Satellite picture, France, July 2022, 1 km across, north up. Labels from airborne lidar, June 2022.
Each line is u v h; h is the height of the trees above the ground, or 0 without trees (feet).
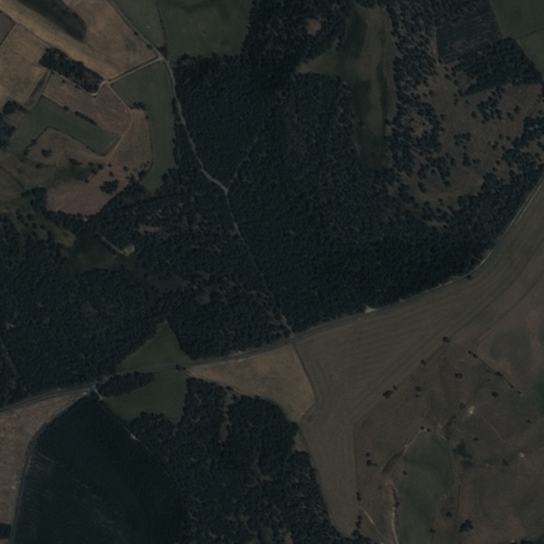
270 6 39
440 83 0
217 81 58
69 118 0
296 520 71
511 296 0
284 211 63
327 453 0
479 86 51
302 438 0
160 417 38
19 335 66
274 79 45
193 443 65
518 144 44
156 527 41
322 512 58
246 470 56
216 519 42
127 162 0
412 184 0
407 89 56
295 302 62
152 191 0
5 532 22
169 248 57
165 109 0
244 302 35
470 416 0
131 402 0
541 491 0
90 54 0
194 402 66
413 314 0
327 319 45
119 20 0
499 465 0
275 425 75
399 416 0
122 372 0
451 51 0
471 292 0
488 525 0
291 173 81
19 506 0
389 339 0
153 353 0
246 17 0
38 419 0
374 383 0
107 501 28
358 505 0
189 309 63
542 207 0
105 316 47
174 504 34
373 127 0
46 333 76
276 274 52
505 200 42
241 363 0
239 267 50
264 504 49
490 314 0
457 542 0
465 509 0
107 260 0
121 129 0
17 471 0
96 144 0
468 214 47
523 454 0
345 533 0
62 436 29
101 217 43
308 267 64
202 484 49
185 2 0
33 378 49
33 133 0
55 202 0
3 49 0
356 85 0
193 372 0
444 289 0
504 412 0
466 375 0
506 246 0
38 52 0
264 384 0
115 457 46
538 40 0
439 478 0
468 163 32
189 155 37
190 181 28
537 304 0
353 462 0
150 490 37
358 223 69
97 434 34
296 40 38
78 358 66
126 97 0
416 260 71
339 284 61
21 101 0
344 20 70
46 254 44
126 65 0
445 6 39
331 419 0
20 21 0
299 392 0
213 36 0
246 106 49
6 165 0
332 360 0
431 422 0
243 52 44
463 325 0
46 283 54
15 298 30
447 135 0
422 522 0
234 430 60
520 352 0
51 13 0
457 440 0
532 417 0
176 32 0
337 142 67
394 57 0
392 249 75
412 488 0
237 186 60
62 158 0
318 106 38
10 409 0
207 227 68
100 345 54
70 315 67
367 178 52
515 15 0
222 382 0
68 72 28
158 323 54
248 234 59
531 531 0
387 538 0
